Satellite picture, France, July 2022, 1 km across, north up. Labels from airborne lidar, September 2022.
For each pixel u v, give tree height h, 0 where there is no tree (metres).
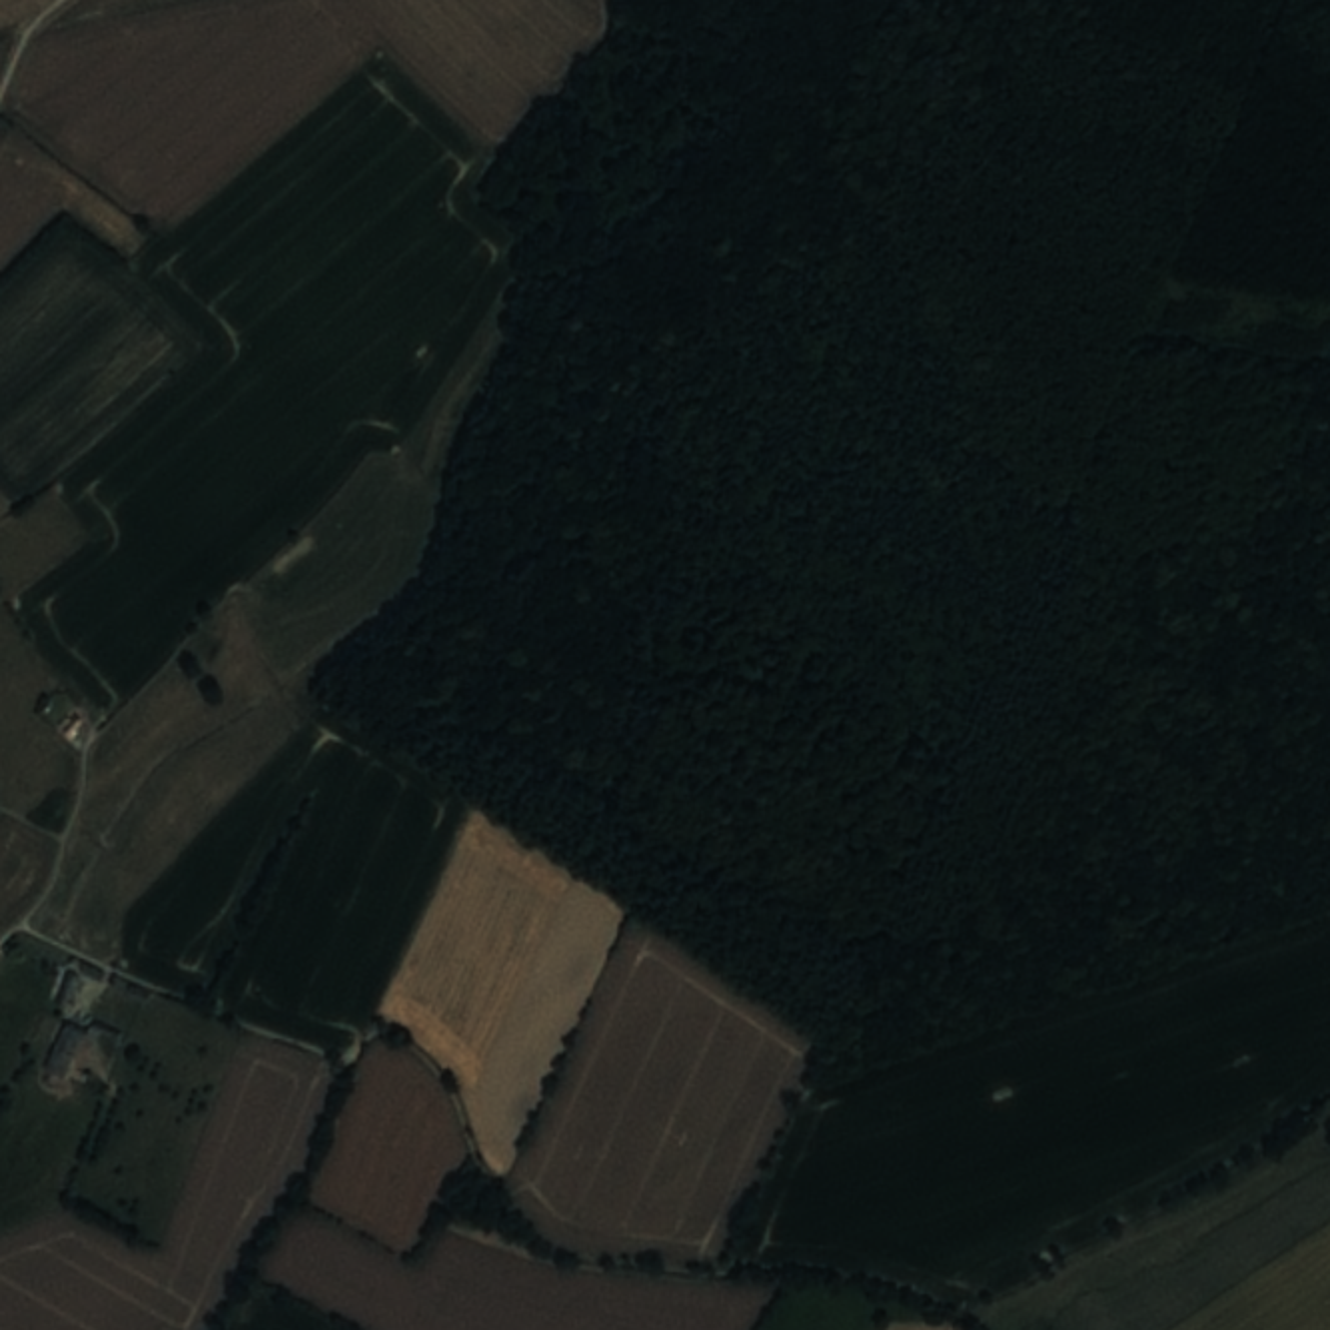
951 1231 0
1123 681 19
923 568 23
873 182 23
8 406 0
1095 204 22
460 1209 18
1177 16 20
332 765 0
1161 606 21
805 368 23
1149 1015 0
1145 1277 0
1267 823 22
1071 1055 0
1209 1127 0
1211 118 22
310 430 0
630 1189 0
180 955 0
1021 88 20
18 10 0
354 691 20
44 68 0
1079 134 19
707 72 18
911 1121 0
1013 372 23
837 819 17
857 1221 0
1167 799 22
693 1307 0
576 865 27
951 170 23
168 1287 0
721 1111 0
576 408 21
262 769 0
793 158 22
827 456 18
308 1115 0
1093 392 22
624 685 20
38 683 0
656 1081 0
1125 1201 0
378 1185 0
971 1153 0
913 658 20
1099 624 20
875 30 24
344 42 0
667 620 33
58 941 0
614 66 11
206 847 0
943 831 26
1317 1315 0
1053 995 17
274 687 0
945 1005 19
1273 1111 0
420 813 0
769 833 23
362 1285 0
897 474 14
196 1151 0
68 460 0
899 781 20
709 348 23
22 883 0
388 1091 0
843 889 24
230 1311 12
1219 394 16
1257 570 15
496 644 21
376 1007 0
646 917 30
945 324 19
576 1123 0
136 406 0
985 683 21
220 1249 0
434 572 21
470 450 15
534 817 23
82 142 0
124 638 0
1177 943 19
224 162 0
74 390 0
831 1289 15
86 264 0
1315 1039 0
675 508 26
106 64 0
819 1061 17
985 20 21
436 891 0
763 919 27
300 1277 0
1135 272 22
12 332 0
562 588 20
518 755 33
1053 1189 0
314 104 0
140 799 0
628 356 20
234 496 0
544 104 15
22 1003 0
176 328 0
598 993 0
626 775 27
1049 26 21
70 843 0
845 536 22
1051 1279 13
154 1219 0
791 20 19
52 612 0
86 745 0
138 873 0
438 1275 0
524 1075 0
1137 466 20
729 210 23
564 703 21
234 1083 0
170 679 0
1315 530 15
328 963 0
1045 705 22
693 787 31
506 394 20
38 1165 0
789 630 16
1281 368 9
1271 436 15
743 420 23
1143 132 21
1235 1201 0
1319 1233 0
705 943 29
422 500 0
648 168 22
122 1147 0
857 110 22
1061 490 22
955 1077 0
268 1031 0
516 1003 0
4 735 0
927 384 20
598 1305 0
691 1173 0
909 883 24
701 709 19
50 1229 0
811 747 18
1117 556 21
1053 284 22
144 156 0
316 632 0
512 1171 0
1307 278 18
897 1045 18
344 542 0
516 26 0
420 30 0
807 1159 0
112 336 0
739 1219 18
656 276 23
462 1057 0
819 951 34
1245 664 19
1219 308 6
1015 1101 0
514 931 0
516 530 22
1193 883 22
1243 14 19
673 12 23
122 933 0
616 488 20
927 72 26
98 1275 0
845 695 14
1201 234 19
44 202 0
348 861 0
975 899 25
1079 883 21
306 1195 14
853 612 23
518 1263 0
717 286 21
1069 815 19
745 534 20
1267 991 0
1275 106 18
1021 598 20
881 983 23
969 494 20
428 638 22
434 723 31
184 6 0
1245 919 19
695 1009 0
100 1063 0
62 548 0
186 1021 0
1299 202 17
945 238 22
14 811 0
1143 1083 0
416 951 0
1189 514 18
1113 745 18
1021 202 23
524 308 20
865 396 20
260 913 16
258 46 0
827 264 24
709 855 21
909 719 18
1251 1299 0
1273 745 21
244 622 0
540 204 16
